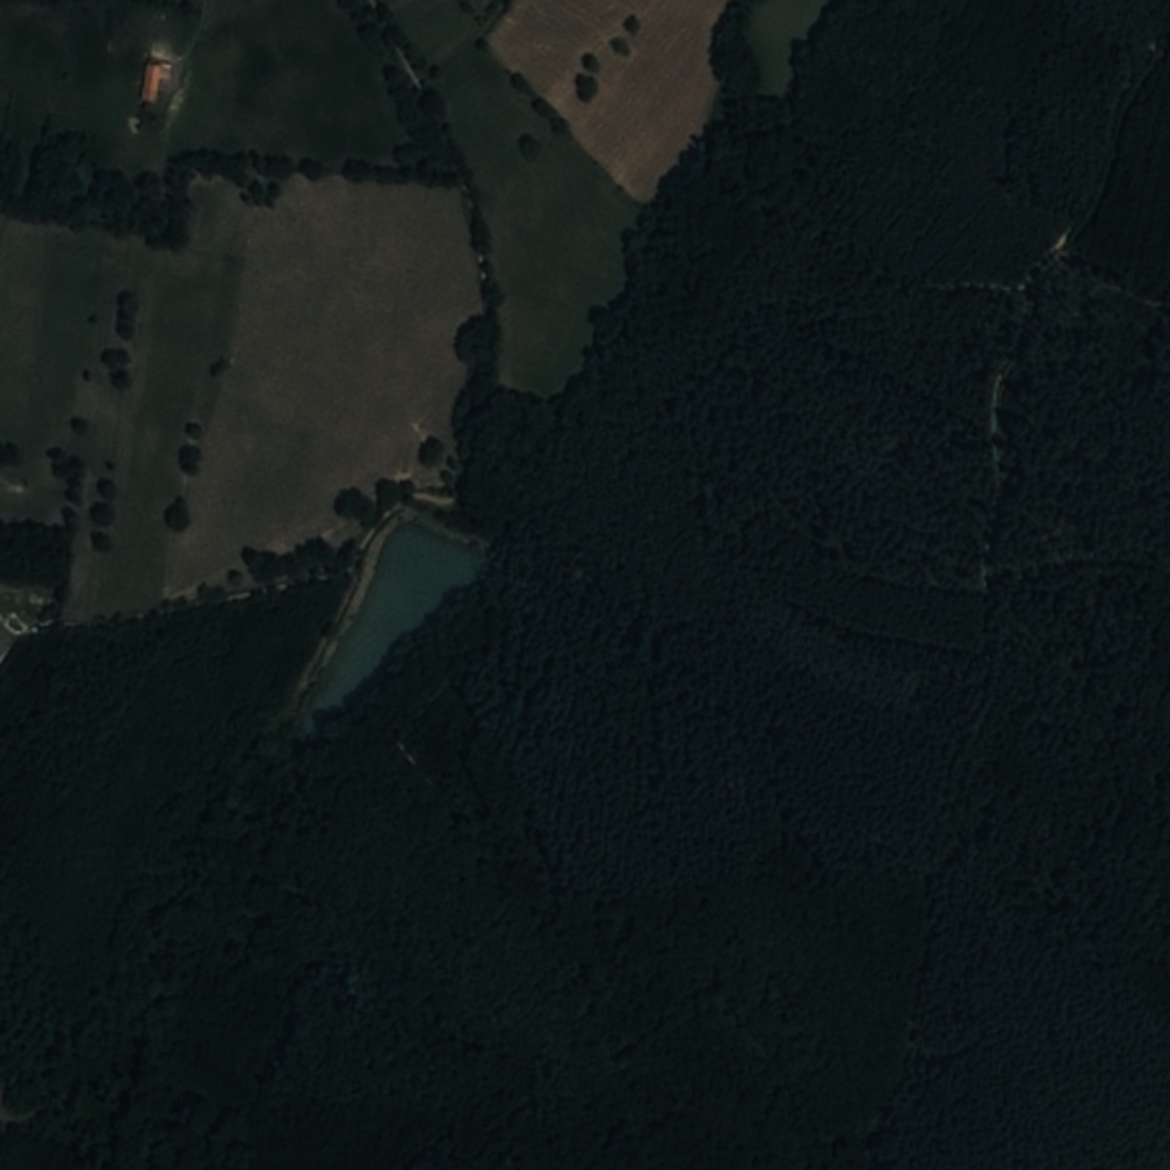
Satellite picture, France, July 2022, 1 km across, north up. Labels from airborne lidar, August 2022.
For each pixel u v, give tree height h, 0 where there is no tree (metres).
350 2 18
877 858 32
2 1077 8
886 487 31
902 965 19
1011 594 24
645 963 21
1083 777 19
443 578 0
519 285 0
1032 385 28
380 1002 27
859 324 16
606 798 34
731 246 27
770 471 32
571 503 24
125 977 25
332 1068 24
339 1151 7
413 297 0
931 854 26
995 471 26
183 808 25
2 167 18
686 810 26
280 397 0
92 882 7
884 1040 22
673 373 27
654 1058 15
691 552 23
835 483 29
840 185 9
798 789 31
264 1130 11
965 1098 29
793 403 26
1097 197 9
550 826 29
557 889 6
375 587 0
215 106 0
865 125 9
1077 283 31
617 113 0
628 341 20
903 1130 30
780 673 33
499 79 0
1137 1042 35
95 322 7
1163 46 11
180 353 0
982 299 13
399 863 22
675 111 0
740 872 28
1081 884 27
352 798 22
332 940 22
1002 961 34
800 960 26
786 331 26
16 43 0
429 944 17
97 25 0
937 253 7
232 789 25
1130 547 26
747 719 29
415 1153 8
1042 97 16
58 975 10
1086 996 32
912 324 19
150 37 0
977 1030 31
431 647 20
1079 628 21
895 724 29
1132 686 20
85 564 0
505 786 22
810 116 18
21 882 13
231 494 0
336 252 0
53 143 10
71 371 0
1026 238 6
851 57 20
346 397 0
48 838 9
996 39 13
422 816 22
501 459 29
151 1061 23
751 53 22
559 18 0
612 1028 13
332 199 0
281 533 0
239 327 0
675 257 23
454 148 17
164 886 25
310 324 0
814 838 31
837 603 14
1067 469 32
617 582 32
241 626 10
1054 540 30
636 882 33
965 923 32
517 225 0
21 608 0
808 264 16
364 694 17
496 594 22
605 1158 26
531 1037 19
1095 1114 34
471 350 18
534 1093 19
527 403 23
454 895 21
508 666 30
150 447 0
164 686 13
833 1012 24
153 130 0
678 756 33
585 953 24
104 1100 22
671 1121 22
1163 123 11
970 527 33
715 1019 24
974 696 21
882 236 10
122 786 10
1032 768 25
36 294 0
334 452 0
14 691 7
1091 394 33
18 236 0
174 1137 21
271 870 10
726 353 18
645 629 37
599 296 0
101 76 0
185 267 0
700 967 23
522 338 0
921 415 15
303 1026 31
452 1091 22
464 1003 20
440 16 0
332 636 23
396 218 0
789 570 14
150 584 0
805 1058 18
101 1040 24
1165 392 32
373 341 0
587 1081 22
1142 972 22
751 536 15
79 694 17
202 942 15
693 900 26
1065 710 22
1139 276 12
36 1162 10
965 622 16
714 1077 14
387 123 0
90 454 0
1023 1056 32
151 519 0
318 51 0
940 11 14
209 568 0
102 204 18
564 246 0
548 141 0
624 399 16
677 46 0
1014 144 14
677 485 20
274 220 0
